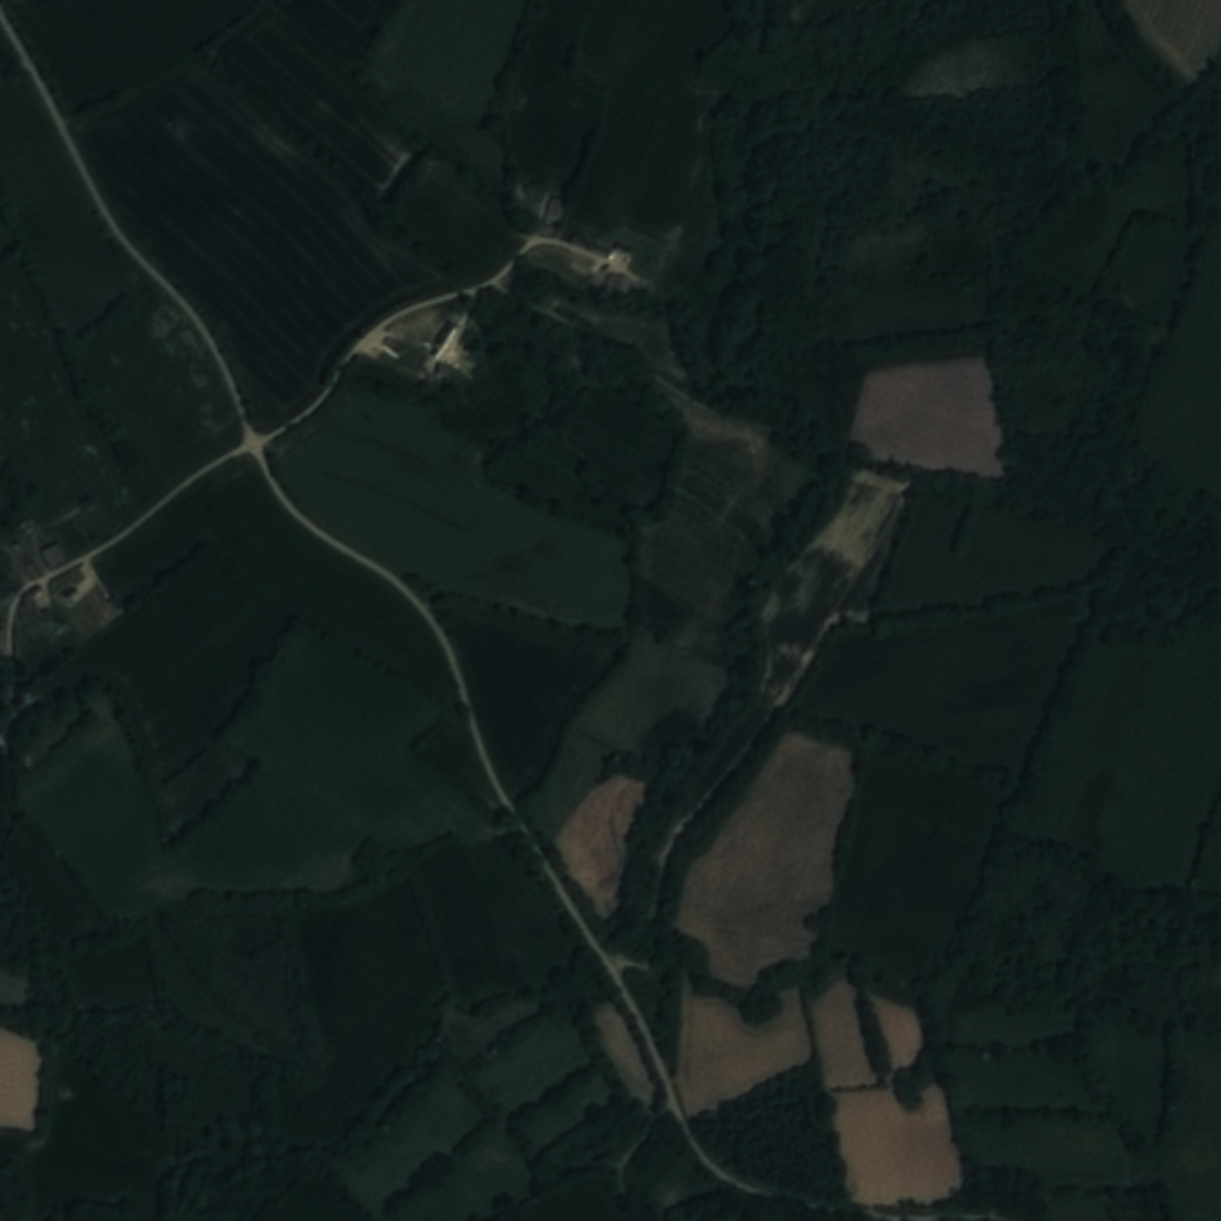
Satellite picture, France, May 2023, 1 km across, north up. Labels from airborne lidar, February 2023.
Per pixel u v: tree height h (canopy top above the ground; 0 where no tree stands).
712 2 0
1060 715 15
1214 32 0
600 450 0
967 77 0
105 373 0
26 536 0
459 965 0
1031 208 8
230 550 0
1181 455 0
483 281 0
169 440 0
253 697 15
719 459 0
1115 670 0
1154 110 0
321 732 0
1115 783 0
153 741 0
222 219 0
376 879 9
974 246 0
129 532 0
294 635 12
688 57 0
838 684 0
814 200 12
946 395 0
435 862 0
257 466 0
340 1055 0
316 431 0
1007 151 8
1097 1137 0
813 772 0
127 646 0
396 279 0
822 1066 6
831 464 19
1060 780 0
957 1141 8
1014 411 10
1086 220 0
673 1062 7
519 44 10
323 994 0
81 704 12
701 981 16
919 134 14
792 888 0
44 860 0
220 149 0
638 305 12
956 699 0
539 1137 0
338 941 0
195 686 0
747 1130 18
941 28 14
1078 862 14
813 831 0
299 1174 15
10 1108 0
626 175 0
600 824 0
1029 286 17
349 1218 0
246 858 0
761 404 20
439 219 0
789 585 0
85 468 0
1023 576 0
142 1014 7
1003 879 12
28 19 0
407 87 0
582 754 0
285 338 0
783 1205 15
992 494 11
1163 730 0
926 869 0
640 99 0
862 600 0
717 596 0
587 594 0
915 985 10
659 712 0
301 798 0
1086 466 19
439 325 0
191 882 0
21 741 16
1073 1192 7
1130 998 0
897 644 0
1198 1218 0
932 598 0
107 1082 15
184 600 0
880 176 14
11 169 0
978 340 9
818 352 12
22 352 0
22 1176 10
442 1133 0
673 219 0
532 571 0
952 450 0
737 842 0
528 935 0
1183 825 0
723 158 11
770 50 11
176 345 0
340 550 0
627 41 0
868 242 0
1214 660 0
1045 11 10
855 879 0
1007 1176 11
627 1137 12
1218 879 0
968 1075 0
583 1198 0
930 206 13
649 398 20
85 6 0
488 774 0
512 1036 12
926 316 0
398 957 0
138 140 0
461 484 0
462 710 12
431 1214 0
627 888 16
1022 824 12
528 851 13
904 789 0
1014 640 0
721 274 15
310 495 0
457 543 0
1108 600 14
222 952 0
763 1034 0
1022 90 7
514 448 11
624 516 16
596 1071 8
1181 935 18
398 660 0
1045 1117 13
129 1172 0
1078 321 9
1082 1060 18
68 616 0
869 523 0
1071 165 11
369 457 0
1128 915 8
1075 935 12
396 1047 0
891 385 0
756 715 0
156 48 0
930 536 0
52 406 0
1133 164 15
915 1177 0
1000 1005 11
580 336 7
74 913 0
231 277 0
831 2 0
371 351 0
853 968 11
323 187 0
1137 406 8
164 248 0
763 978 6
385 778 0
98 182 0
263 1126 19
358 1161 7
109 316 13
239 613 0
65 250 0
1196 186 9
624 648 7
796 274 14
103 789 0
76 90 0
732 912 0
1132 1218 0
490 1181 0
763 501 0
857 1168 0
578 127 0
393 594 0
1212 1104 0
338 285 0
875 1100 0
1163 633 8
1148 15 0
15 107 0
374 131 0
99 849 0
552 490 0
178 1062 0
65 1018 16
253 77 0
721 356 30
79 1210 15
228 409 0
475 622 0
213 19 0
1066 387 0
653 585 0
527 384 0
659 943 15
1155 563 12
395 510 0
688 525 0
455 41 0
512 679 0
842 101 17
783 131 13
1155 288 0
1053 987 12
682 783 10
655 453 0
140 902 0
